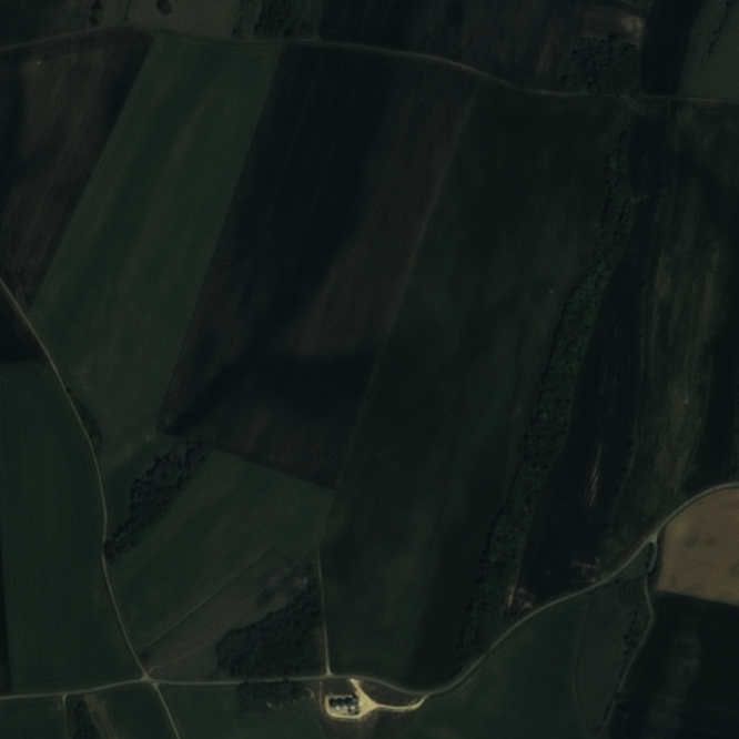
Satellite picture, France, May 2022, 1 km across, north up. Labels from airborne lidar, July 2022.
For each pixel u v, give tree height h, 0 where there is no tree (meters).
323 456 0
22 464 0
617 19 0
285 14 9
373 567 0
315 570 0
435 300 0
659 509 0
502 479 0
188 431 0
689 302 0
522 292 0
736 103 0
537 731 0
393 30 0
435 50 0
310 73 0
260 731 0
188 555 0
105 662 0
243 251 0
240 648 15
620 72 18
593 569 0
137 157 0
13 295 0
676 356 0
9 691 0
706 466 0
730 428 0
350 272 0
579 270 0
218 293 0
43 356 0
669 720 0
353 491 0
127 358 0
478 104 0
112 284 0
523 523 17
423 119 0
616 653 0
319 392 0
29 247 0
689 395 0
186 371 0
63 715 0
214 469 0
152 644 0
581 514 0
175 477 8
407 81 0
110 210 0
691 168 0
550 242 0
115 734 0
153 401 0
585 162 0
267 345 0
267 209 0
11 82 0
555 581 0
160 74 0
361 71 0
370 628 0
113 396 0
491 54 0
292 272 0
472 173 0
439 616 0
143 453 0
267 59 0
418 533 0
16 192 0
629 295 0
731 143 0
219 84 0
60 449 0
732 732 0
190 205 0
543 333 0
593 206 0
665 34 0
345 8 0
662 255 0
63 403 0
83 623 0
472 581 0
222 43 0
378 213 0
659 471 0
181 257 0
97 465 0
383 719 0
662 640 0
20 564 0
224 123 0
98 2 6
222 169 0
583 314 18
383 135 0
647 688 0
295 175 0
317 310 0
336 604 0
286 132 0
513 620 0
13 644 0
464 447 0
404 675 0
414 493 0
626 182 16
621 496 12
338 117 0
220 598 0
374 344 0
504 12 0
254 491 0
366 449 0
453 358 0
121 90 0
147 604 0
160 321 0
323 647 0
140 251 0
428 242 0
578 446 0
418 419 0
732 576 0
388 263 0
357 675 0
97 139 0
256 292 0
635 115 0
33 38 0
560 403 19
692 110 0
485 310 0
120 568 0
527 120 0
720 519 0
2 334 0
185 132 0
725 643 0
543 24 0
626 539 0
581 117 0
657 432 0
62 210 0
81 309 0
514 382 0
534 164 0
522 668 0
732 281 0
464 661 10
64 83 0
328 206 0
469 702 0
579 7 0
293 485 0
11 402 0
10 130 0
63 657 0
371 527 0
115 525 0
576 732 0
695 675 0
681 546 0
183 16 0
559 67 0
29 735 0
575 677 0
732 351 0
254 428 0
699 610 0
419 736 0
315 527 0
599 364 0
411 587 0
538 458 13
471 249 0
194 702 0
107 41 0
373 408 0
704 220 0
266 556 0
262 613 0
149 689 0
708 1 0
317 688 0
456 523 0
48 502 0
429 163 0
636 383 0
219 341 0
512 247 0
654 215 0
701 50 0
